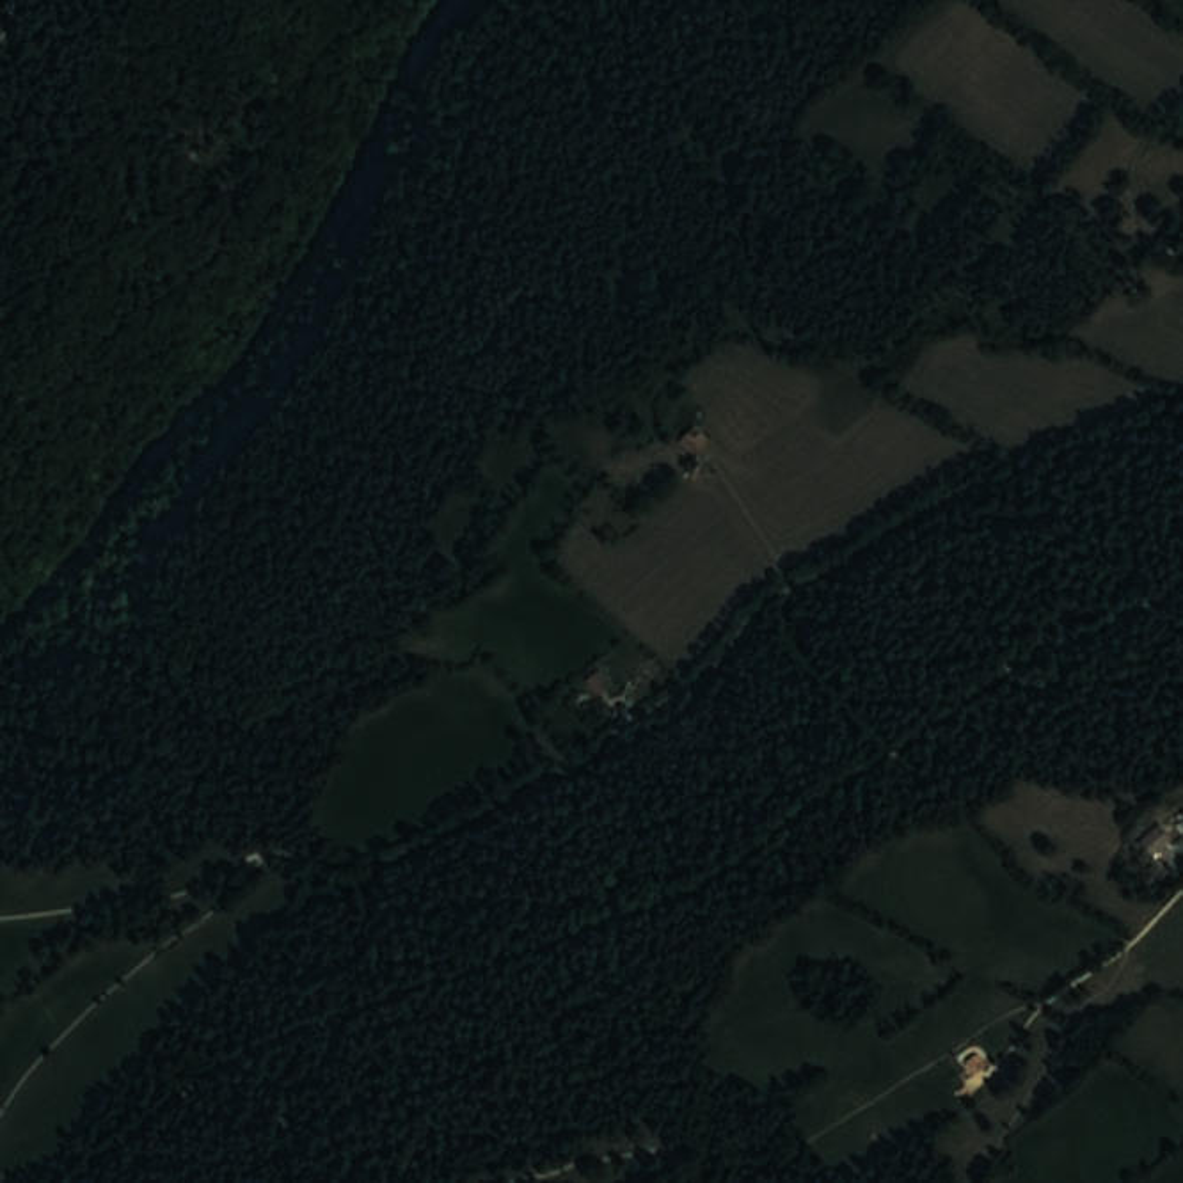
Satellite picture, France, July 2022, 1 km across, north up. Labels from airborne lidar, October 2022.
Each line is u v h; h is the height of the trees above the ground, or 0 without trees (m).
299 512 35
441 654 0
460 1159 29
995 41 0
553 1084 19
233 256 27
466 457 32
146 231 33
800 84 40
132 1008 0
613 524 0
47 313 25
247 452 37
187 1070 11
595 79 38
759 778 34
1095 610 15
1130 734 30
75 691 42
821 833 24
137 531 32
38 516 22
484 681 0
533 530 0
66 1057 0
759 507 0
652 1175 17
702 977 29
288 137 25
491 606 0
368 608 33
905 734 28
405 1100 29
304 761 25
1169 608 23
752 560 0
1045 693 13
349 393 40
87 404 29
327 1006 31
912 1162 32
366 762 0
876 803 30
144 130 38
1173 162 0
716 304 19
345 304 30
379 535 38
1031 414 0
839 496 0
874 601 23
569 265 38
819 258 21
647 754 26
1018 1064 17
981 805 30
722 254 36
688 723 23
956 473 20
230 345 29
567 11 41
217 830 25
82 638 37
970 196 24
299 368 52
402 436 26
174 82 30
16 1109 0
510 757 0
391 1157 33
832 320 37
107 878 0
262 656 28
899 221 25
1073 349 23
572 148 30
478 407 29
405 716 0
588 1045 30
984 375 0
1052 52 22
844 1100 0
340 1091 32
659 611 0
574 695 7
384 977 12
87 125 36
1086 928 0
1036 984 0
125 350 29
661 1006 35
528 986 32
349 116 28
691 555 0
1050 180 23
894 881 0
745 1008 0
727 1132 33
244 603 35
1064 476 17
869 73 9
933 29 0
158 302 28
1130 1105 0
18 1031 0
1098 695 26
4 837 33
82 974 0
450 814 27
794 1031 0
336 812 0
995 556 24
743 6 27
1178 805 0
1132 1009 21
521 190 31
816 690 27
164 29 32
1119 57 0
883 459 0
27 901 0
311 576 30
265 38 32
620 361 34
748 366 0
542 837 39
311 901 8
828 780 26
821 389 0
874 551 6
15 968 0
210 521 27
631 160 39
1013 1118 0
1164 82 0
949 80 0
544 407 37
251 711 33
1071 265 31
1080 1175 0
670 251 35
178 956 0
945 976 0
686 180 37
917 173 24
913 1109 0
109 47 38
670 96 37
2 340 31
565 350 32
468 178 34
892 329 32
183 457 32
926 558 32
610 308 36
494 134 30
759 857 31
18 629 31
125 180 10
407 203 33
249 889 22
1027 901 0
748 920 26
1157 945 0
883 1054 0
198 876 0
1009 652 27
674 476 22
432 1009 29
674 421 0
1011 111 0
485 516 19
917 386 0
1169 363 0
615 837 34
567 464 23
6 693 31
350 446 35
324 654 30
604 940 30
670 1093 30
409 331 37
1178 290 0
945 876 0
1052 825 0
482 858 31
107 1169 24
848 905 7
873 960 0
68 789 33
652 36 39
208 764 29
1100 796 16
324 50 9
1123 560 30
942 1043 0
